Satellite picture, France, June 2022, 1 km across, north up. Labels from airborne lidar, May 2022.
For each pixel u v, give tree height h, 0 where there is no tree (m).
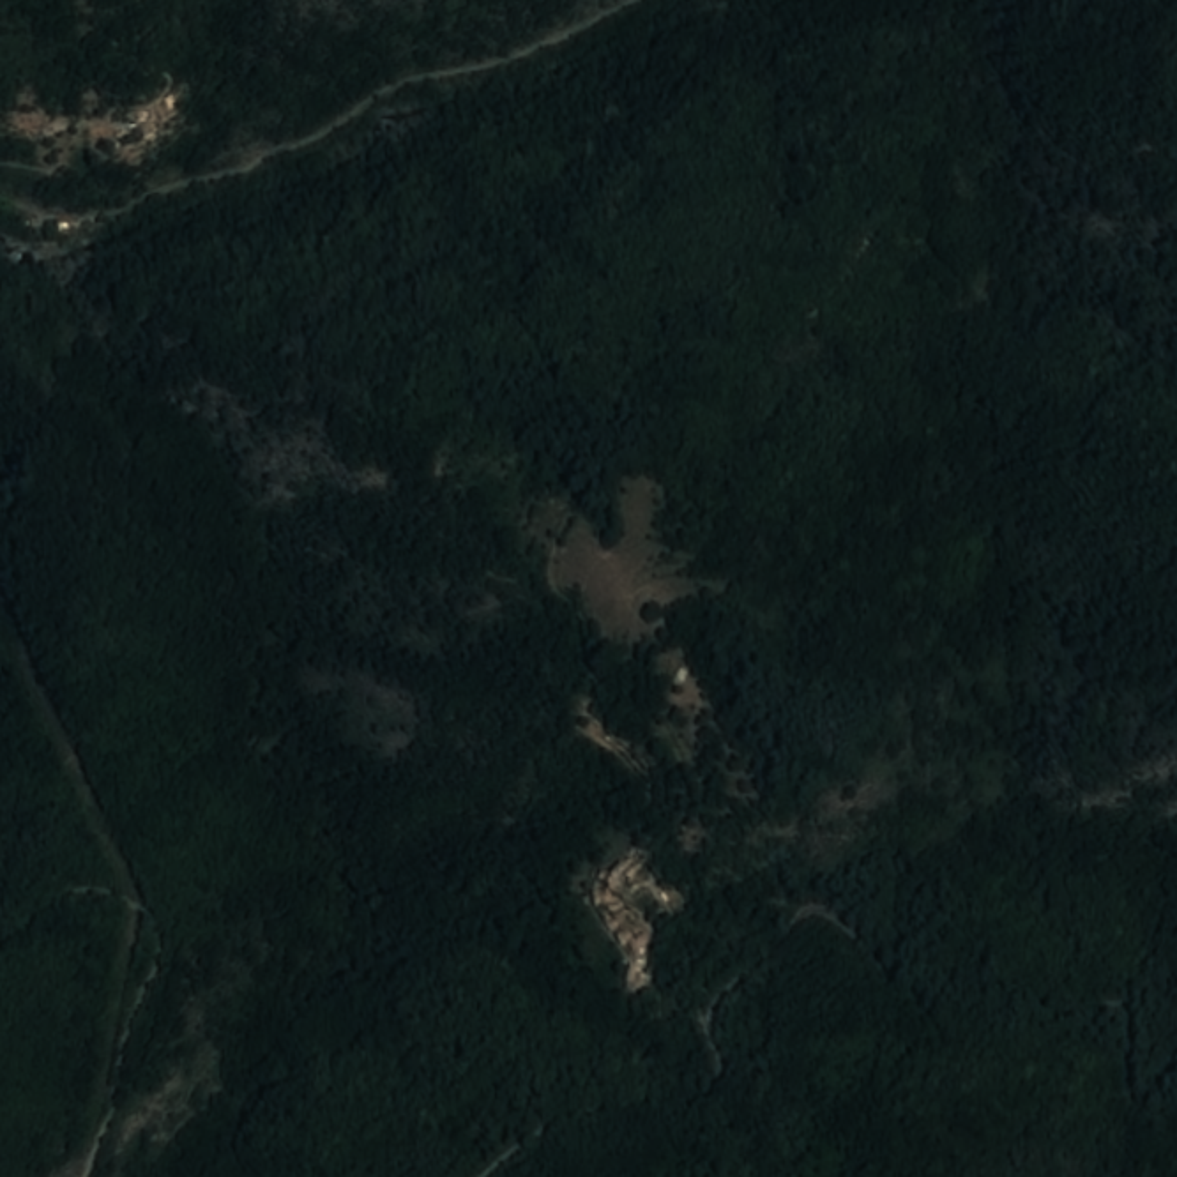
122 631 14
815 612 18
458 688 15
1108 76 23
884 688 16
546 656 12
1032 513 13
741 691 32
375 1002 31
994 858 18
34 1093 13
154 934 15
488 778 11
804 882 8
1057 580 9
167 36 10
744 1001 11
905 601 12
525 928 24
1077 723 12
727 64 12
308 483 7
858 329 13
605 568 0
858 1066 7
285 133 11
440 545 11
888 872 28
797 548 16
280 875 20
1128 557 12
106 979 13
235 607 25
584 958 19
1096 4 26
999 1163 8
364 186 14
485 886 14
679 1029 11
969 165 6
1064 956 25
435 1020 24
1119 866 21
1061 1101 12
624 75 13
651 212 17
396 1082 20
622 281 22
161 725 23
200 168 14
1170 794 8
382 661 7
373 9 7
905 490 13
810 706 32
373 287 10
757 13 15
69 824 15
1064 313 18
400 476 16
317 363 10
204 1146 20
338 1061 22
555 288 21
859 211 20
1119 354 19
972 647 20
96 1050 13
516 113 18
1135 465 21
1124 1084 13
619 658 8
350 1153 16
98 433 22
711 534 7
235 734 25
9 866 20
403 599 10
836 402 14
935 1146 14
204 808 17
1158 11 20
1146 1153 20
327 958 8
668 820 13
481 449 7
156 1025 13
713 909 13
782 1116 15
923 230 17
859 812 9
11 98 11
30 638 20
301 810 27
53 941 16
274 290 18
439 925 27
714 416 15
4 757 21
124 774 18
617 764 9
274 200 6
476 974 23
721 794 14
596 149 12
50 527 21
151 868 19
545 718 9
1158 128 19
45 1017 18
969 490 17
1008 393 17
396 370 14
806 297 11
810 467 15
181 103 6
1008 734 17
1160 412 16
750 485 14
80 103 8
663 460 16
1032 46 23
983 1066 20
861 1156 7
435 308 15
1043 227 8
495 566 10
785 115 26
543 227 16
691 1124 14
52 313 13
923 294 15
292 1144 21
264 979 11
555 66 9
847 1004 8
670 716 9
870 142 25
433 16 7
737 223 19
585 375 28
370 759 8
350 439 11
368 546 15
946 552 14
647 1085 16
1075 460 15
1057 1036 30
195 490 13
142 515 15
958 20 17
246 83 14
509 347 27
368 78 9
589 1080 10
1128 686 14
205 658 25
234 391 12
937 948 28
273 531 14
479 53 9
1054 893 27
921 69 14
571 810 24
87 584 21
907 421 21
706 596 13
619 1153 14
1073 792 6
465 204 19
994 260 11
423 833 9
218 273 12
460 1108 14
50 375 11
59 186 13
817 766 21
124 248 6
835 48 21
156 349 13
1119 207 11
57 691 20
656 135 14
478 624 8
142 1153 7
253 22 8
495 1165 6
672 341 23
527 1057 17
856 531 15
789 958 9
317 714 15
